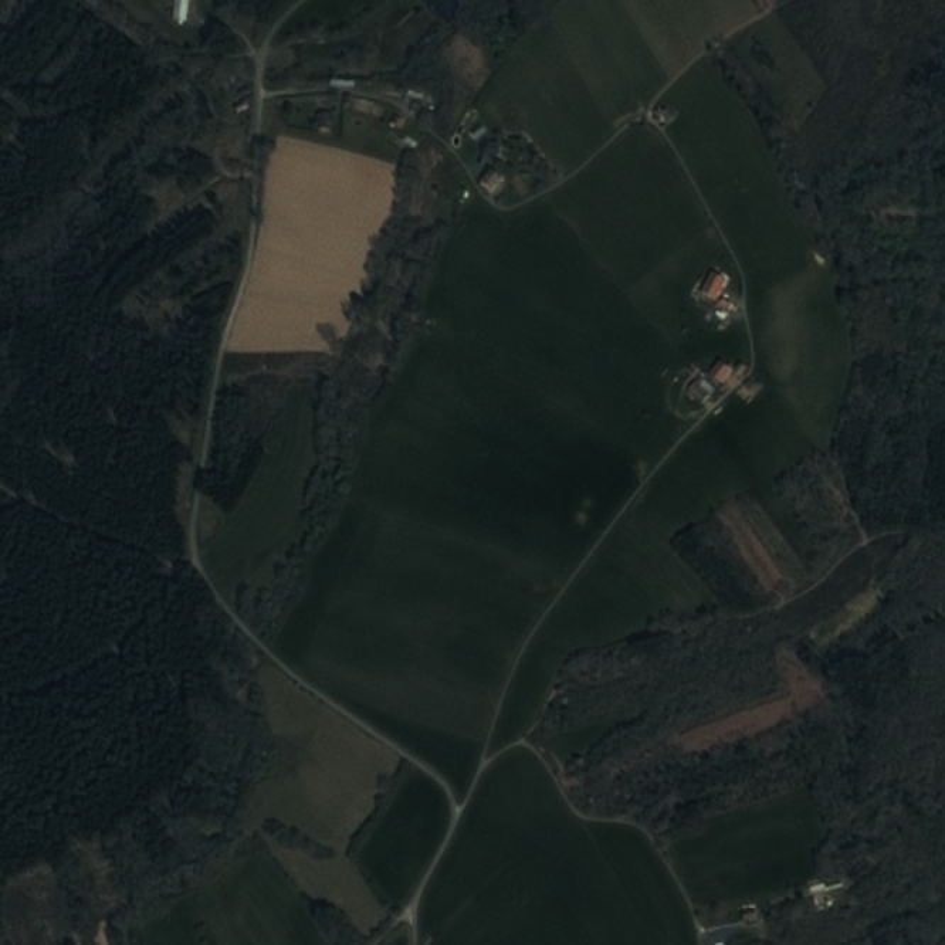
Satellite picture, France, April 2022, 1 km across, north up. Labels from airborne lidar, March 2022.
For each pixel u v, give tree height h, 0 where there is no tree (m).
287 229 0
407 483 0
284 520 0
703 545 14
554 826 0
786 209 0
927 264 19
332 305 0
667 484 0
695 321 0
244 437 25
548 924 0
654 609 0
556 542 0
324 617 0
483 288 0
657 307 0
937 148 22
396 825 0
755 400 0
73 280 24
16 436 20
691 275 0
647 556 0
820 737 22
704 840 0
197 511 0
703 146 0
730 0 0
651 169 0
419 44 0
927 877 13
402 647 0
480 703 0
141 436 29
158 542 22
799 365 0
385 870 0
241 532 0
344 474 11
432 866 0
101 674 25
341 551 0
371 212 0
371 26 0
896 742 16
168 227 0
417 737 0
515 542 0
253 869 0
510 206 0
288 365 0
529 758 0
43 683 26
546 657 0
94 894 9
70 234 17
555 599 0
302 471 0
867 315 12
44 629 28
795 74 0
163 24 0
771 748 15
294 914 0
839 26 0
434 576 0
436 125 15
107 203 25
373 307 16
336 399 22
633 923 0
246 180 10
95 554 24
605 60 0
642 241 0
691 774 12
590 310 0
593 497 0
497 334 0
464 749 0
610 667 19
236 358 0
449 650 0
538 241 0
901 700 14
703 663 18
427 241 19
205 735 21
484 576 0
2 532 21
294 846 19
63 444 22
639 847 0
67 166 31
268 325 0
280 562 0
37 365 22
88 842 22
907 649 14
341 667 0
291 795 0
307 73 12
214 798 26
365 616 0
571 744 0
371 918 0
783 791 17
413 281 18
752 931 0
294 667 0
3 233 26
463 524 0
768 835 0
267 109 0
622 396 0
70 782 31
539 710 0
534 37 0
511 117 0
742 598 17
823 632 0
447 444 0
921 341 8
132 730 31
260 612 21
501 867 0
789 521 0
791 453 0
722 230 0
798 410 0
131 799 23
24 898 0
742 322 0
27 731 28
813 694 0
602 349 0
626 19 0
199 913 0
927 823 12
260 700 20
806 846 0
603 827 0
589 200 0
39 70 15
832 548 22
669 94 0
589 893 0
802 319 0
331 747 0
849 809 21
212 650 27
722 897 0
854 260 17
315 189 0
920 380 15
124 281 23
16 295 20
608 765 10
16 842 26
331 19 0
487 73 0
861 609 0
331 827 0
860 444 24
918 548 16
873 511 19
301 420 0
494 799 0
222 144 0
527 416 0
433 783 0
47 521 22
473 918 0
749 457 0
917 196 17
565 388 0
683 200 0
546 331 0
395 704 0
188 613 30
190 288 10
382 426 0
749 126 0
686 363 0
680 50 0
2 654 28
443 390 0
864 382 19
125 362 24
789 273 0
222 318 25
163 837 27
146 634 28
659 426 0
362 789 0
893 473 23
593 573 0
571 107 0
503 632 0
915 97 25
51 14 28
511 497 0
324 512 9
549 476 0
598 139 0
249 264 0
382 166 0
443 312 0
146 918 11
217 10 13
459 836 0
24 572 23
